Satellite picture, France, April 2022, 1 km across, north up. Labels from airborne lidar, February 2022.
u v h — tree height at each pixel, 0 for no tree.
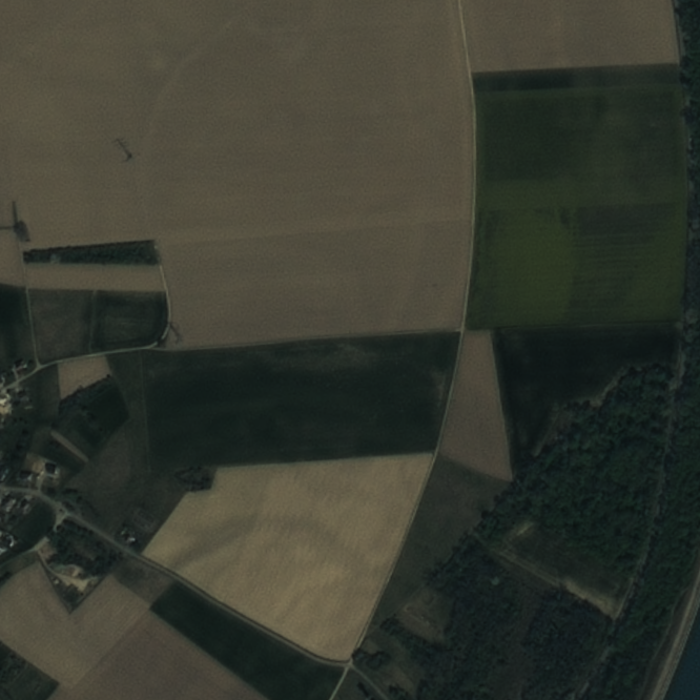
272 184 0
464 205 0
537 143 0
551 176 0
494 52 0
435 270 0
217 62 0
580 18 0
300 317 0
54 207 0
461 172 0
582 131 0
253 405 0
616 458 26
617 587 0
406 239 0
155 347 0
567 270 0
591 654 12
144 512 0
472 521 0
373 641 0
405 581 0
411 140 0
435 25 0
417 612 0
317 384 0
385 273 0
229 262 0
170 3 0
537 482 8
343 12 0
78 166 0
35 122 0
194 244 0
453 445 0
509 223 0
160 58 0
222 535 0
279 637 0
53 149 0
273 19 0
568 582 0
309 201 0
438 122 0
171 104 0
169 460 0
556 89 0
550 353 0
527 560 0
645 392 17
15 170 0
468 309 0
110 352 0
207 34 0
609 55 0
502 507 19
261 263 0
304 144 0
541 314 0
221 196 0
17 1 0
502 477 0
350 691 0
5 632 0
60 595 0
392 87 0
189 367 0
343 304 0
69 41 0
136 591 0
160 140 0
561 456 7
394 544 0
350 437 0
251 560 0
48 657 0
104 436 0
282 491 0
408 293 0
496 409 0
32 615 0
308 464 0
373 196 0
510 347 0
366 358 0
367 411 0
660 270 0
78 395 9
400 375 0
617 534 18
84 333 0
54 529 0
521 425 0
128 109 0
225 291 0
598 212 0
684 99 0
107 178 0
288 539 0
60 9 0
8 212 0
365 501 0
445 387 0
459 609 13
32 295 0
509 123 0
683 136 0
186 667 0
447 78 0
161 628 0
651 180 0
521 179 0
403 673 0
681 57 0
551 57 0
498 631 12
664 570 12
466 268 0
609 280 0
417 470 0
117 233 0
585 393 0
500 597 7
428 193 0
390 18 0
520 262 0
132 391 0
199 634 0
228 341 0
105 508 0
